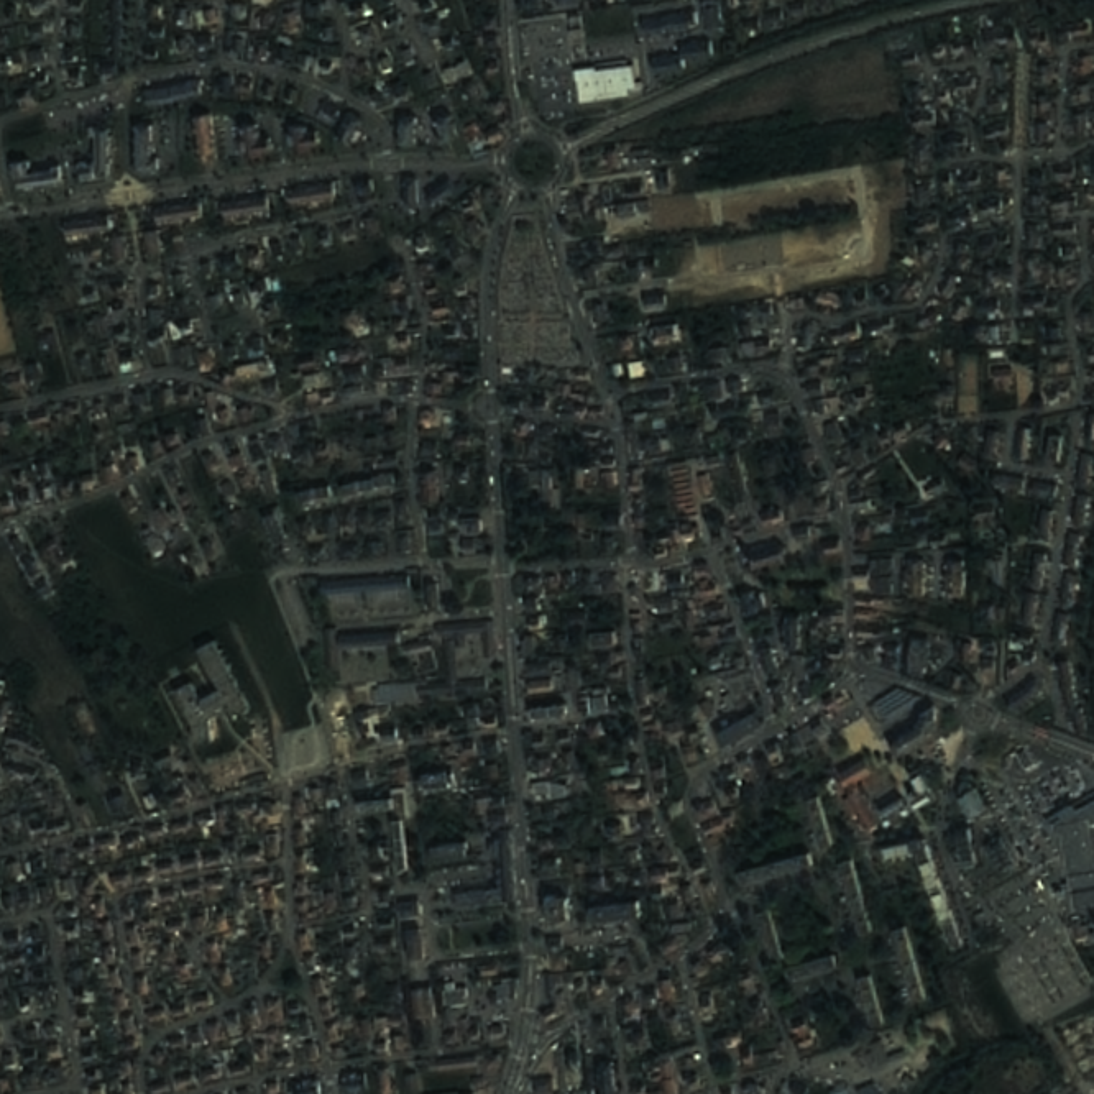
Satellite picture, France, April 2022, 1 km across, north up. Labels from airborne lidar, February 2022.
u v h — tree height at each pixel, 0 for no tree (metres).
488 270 0
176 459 0
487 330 0
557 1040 0
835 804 14
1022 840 0
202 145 0
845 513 0
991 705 0
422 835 14
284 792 0
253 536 0
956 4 0
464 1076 0
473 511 0
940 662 0
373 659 9
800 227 11
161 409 0
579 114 0
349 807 0
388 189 0
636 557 0
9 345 0
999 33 0
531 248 0
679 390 9
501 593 0
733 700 0
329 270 0
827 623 0
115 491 0
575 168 0
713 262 0
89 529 0
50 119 0
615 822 0
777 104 0
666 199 0
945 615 0
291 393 0
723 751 0
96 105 0
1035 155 0
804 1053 0
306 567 0
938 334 0
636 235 0
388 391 0
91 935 0
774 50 0
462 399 0
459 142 0
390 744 0
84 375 0
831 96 0
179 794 0
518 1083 0
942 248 0
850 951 18
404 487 0
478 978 7
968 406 0
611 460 0
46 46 0
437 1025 0
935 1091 0
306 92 0
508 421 0
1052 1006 0
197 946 0
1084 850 0
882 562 0
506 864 0
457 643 0
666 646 0
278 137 0
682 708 14
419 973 0
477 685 0
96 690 14
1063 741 0
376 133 0
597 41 0
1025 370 0
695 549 0
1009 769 0
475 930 0
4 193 0
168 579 0
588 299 0
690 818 0
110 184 0
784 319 0
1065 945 0
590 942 0
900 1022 18
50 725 0
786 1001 14
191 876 0
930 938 10
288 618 0
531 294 0
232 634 0
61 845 0
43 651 0
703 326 9
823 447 0
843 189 0
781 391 0
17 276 5
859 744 0
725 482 0
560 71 0
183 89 0
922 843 0
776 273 0
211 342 0
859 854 5
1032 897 0
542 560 13
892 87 0
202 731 0
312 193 0
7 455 8
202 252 0
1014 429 0
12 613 0
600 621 7
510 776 0
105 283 6
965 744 0
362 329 0
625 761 12
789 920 20
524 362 0
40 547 8
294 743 0
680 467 0
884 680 0
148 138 0
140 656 13
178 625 0
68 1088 0
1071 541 0
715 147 0
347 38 0
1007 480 0
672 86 0
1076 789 0
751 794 13
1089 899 0
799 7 0
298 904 0
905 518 8
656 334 0
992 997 0
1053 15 9
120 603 0
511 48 0
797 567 11
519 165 0
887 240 0
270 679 0
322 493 0
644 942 0
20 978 7
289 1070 0
